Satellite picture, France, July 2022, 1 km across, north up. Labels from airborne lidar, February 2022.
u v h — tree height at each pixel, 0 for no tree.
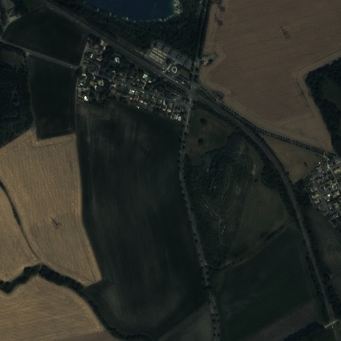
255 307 0
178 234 0
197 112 0
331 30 0
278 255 0
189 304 0
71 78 0
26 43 0
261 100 0
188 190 7
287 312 0
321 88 19
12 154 0
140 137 0
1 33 15
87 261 0
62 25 0
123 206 0
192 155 0
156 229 0
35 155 0
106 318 0
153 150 0
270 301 0
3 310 0
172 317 0
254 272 0
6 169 0
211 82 0
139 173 0
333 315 0
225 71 0
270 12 0
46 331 0
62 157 0
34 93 0
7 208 0
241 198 0
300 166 0
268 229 0
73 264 0
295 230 0
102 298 0
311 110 0
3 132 9
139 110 0
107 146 0
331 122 16
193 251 0
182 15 13
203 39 15
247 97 0
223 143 0
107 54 16
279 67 0
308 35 0
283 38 0
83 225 0
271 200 0
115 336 10
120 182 0
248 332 0
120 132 0
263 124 0
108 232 0
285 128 0
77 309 0
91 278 0
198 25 8
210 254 10
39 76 0
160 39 8
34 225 0
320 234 0
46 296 0
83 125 0
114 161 0
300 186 15
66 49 0
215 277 0
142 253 0
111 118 0
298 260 0
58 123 0
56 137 0
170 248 0
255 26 0
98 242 0
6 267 0
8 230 0
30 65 0
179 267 0
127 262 0
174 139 0
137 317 0
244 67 0
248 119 0
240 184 0
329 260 0
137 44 8
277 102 0
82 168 0
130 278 0
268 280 0
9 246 0
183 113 10
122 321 0
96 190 0
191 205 6
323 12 0
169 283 0
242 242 0
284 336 0
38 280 0
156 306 0
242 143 0
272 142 0
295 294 0
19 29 0
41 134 0
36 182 0
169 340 0
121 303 0
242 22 0
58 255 0
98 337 0
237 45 0
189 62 0
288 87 0
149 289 0
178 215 0
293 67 0
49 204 0
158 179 0
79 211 0
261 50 0
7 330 0
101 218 0
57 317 0
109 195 0
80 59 0
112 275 0
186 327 0
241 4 0
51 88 0
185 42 12
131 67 16
